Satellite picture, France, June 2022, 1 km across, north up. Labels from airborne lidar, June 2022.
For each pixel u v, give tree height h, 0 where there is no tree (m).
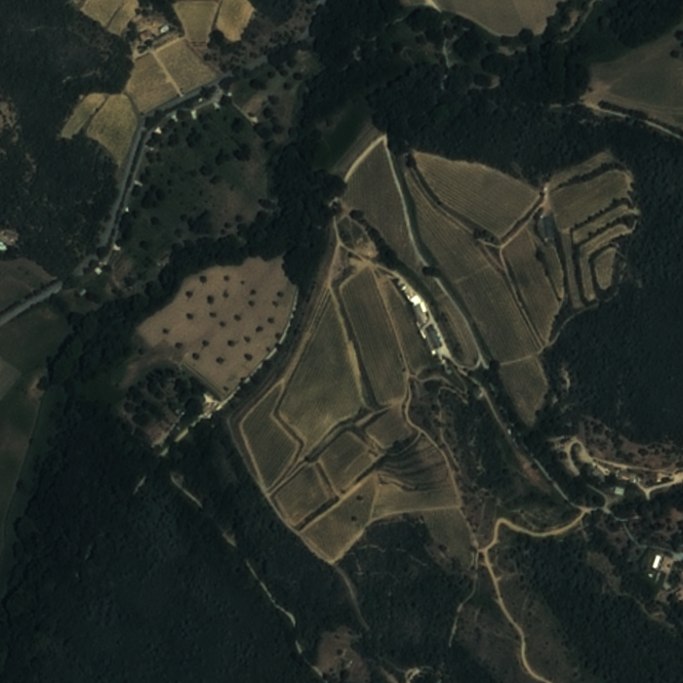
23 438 0
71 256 9
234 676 7
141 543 6
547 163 8
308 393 0
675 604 12
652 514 23
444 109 25
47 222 10
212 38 7
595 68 0
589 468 9
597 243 0
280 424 0
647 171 7
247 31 6
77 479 25
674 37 0
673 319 6
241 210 0
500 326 0
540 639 0
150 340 0
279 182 16
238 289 0
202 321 0
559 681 0
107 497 30
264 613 7
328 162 0
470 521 7
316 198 22
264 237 22
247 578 16
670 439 8
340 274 0
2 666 31
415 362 0
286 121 0
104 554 14
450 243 0
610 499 0
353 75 20
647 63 0
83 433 23
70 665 7
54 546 16
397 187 0
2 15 6
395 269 7
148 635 6
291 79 0
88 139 11
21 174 8
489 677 7
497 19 0
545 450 7
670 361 7
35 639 28
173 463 10
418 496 0
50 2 6
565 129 8
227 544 21
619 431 7
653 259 13
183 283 6
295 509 0
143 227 0
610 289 8
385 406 0
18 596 34
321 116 18
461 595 8
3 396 0
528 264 0
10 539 6
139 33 9
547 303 0
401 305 0
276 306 10
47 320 0
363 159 0
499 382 11
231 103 18
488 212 0
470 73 19
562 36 13
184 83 0
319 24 15
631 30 13
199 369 0
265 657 8
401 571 6
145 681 11
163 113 12
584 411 9
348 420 0
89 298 13
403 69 0
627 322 11
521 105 15
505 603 0
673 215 13
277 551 6
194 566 10
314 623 8
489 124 8
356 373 0
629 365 9
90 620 13
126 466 19
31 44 8
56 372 30
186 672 6
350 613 10
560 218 0
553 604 7
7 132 7
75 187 8
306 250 14
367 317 0
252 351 0
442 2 0
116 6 0
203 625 6
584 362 10
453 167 0
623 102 0
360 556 9
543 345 0
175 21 7
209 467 12
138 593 5
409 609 10
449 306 0
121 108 0
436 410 11
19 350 0
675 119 0
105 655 7
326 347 0
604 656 8
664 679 7
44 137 8
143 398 15
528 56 6
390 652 6
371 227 6
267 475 0
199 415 13
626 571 15
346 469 0
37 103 6
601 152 7
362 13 24
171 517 15
